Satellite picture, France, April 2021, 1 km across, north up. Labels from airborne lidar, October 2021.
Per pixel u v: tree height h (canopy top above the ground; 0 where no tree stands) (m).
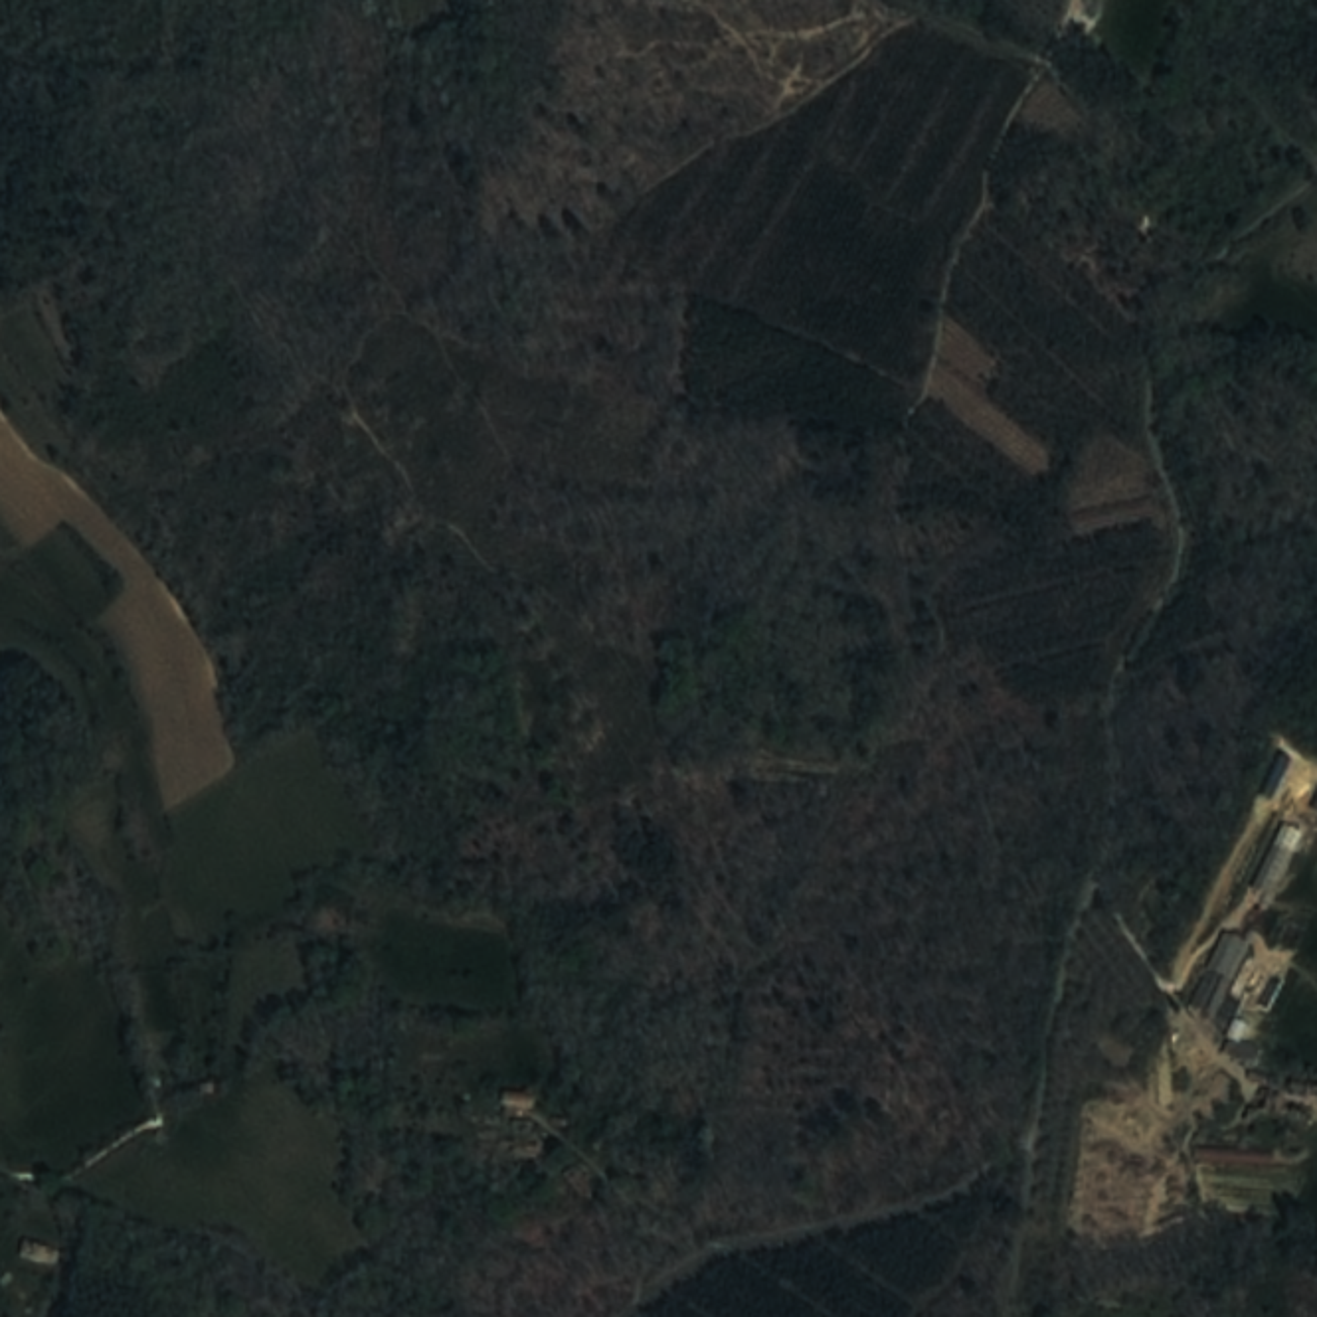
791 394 10
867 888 22
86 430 6
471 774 22
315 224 19
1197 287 15
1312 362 24
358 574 7
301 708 7
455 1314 20
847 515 28
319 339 21
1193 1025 0
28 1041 0
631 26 21
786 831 19
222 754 0
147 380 17
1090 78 0
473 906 18
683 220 6
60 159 19
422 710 8
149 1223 10
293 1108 0
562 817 7
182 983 10
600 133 21
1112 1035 6
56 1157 0
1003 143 7
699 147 13
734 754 15
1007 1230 18
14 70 16
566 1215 0
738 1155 17
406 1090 0
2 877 19
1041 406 16
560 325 13
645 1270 18
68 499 0
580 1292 13
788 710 19
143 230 15
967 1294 7
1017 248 8
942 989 18
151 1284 25
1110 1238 0
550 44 17
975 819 23
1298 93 23
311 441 19
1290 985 0
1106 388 11
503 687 24
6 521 0
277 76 19
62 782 13
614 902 18
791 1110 12
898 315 5
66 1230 9
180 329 17
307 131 18
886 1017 12
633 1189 18
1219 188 11
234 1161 0
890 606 12
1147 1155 0
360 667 8
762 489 25
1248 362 26
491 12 15
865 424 9
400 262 8
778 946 20
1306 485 24
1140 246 7
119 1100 0
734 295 10
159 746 0
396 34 14
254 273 20
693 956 20
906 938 17
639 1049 21
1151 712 15
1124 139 19
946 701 15
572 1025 24
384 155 8
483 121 17
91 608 0
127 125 16
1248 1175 0
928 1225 11
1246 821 14
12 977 0
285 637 8
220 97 22
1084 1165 0
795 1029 9
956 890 21
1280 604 21
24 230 17
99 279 15
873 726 23
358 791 16
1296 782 0
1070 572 11
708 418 14
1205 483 18
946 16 15
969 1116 20
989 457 9
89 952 8
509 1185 17
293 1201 0
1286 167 23
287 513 18
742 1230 9
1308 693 25
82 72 12
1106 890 19
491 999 0
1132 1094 0
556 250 23
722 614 19
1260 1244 0
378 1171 26
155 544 7
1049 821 7
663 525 22
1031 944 21
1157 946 16
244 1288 12
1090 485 0
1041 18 21
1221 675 15
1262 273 0
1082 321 13
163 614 0
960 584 10
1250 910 0
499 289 21
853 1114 27
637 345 14
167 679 0
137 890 0
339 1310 17
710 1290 11
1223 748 18
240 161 18
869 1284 12
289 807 0
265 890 0
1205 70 20
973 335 6
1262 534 8
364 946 0
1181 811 19
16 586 0
